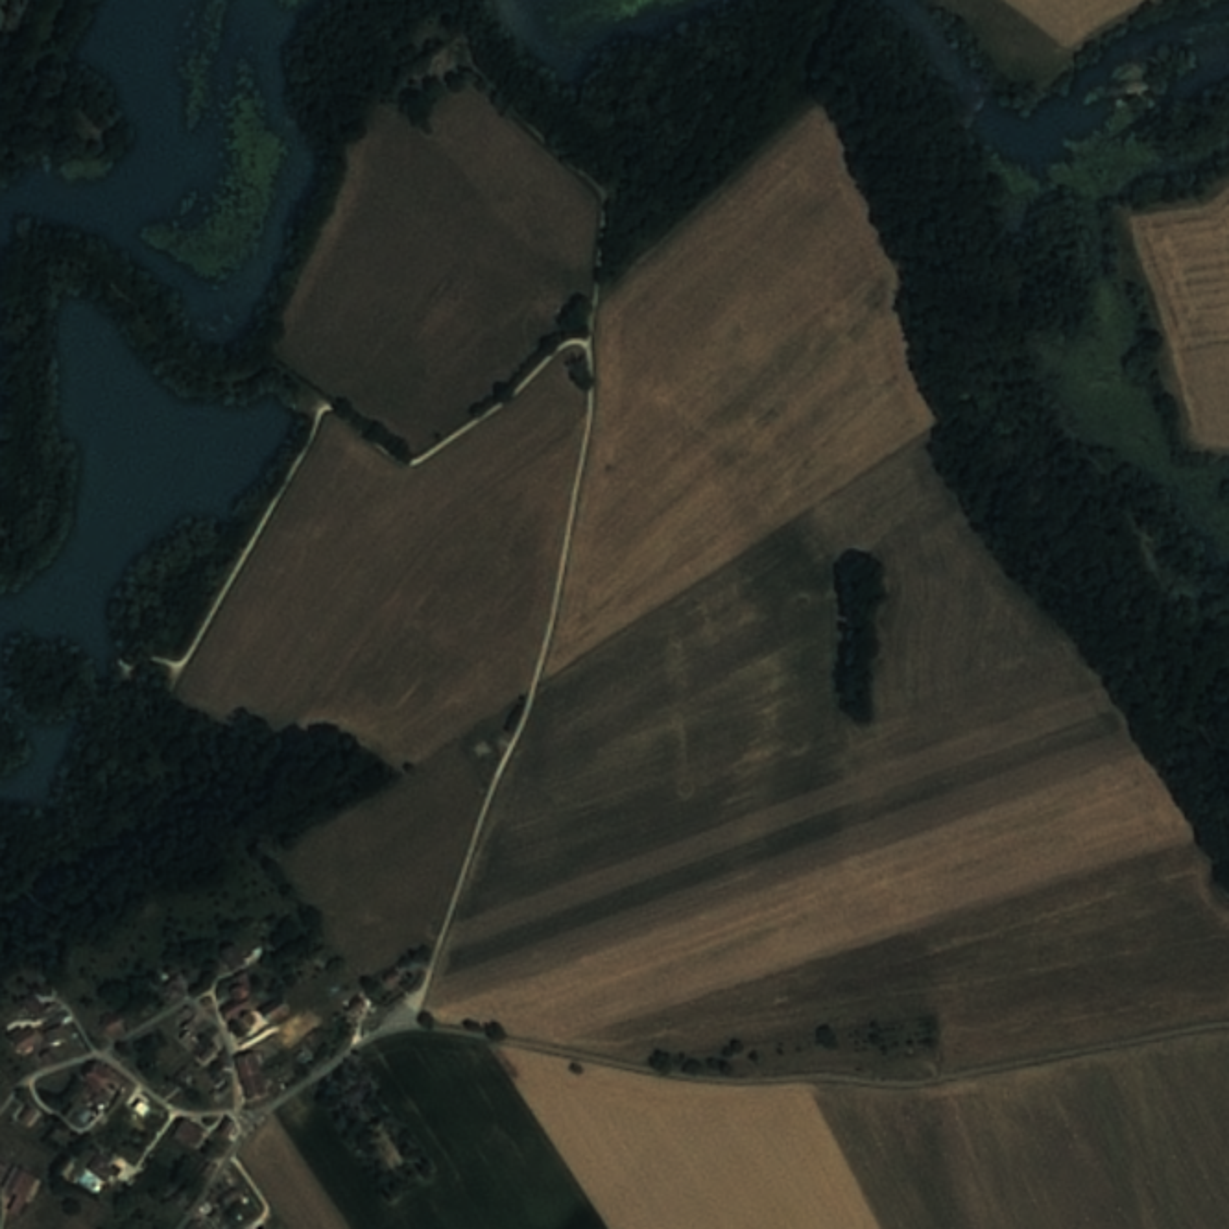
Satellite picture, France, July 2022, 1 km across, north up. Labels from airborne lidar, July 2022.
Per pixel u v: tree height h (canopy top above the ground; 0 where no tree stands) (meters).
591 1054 0
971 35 16
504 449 0
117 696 21
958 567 0
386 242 0
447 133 0
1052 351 0
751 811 0
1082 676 0
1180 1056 0
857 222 0
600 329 0
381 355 0
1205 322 0
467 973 0
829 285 0
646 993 0
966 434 25
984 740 0
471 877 0
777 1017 0
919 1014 0
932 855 0
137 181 0
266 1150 0
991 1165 0
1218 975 0
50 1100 23
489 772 0
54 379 12
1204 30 0
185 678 0
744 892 0
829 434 0
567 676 0
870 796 0
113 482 0
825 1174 0
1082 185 0
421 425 0
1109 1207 0
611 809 0
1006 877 0
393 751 0
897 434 0
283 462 16
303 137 6
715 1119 0
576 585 0
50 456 18
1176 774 18
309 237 20
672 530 0
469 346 0
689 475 0
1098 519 29
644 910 0
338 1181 0
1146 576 30
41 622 0
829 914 0
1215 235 0
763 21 17
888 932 0
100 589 0
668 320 0
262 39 0
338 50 16
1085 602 30
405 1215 0
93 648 0
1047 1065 0
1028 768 0
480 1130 0
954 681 0
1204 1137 0
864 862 0
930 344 26
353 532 0
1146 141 17
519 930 0
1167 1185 0
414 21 17
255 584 0
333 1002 0
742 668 0
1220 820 18
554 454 0
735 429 0
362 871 0
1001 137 0
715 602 0
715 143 7
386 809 0
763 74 6
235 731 17
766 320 0
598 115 23
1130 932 0
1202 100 20
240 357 15
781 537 0
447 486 0
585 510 0
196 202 0
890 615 0
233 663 0
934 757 0
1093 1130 0
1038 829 0
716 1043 0
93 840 16
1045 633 0
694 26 22
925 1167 0
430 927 0
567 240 0
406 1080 0
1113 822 0
